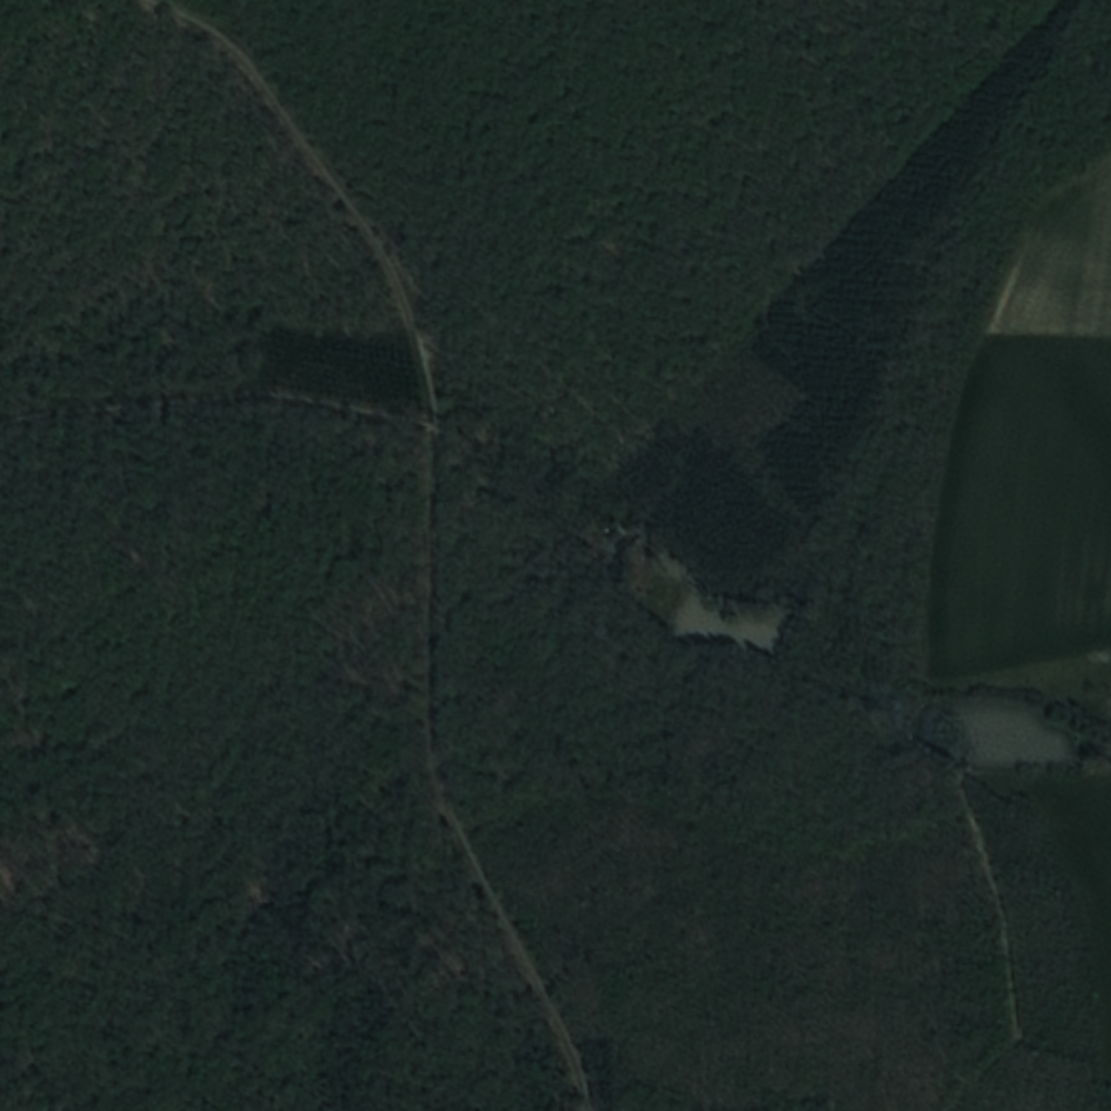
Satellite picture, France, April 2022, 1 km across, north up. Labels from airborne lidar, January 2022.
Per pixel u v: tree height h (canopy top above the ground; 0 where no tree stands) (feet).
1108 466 0
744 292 71
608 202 74
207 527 75
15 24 69
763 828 77
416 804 84
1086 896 0
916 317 60
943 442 73
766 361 39
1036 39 34
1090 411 0
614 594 82
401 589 78
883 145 73
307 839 78
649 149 65
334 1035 47
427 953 86
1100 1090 50
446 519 75
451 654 79
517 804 88
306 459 77
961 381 64
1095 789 0
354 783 81
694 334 70
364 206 54
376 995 60
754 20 61
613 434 64
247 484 80
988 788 25
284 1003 63
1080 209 0
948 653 0
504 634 77
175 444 81
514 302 50
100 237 62
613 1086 57
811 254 66
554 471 69
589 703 83
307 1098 59
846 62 54
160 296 68
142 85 69
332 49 66
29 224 66
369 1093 53
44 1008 75
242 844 79
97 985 55
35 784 80
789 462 38
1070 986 31
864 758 74
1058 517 0
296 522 82
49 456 71
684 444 48
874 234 34
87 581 73
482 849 56
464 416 33
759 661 72
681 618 0
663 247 72
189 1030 64
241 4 67
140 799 77
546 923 46
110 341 0
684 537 58
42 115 73
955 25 74
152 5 0
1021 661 0
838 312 35
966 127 39
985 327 46
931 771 73
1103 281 0
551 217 65
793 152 71
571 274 59
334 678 37
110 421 71
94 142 65
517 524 72
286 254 60
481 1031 62
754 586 51
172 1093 65
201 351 87
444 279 78
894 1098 56
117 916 75
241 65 54
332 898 81
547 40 67
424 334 61
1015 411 0
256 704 73
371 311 89
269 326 85
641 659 88
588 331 61
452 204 67
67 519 68
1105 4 66
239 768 74
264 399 0
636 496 59
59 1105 65
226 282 67
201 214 59
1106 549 0
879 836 74
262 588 64
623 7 63
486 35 67
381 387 0
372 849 80
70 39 74
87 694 66
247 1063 52
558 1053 71
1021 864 37
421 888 89
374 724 82
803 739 101
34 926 67
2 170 55
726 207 72
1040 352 0
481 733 92
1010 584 0
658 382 71
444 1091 68
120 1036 78
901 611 68
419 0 63
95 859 75
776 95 62
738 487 65
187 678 66
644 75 66
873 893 56
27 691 84
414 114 67
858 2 57
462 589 82
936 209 37
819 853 63
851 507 72
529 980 61
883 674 54
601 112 65
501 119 73
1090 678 0
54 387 75
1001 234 70
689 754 88
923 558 68
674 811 71
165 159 64
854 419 32
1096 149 65
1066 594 0
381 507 84
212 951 69
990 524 0
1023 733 0
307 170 71
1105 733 68
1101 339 0
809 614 65
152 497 77
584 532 58
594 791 75
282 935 72
